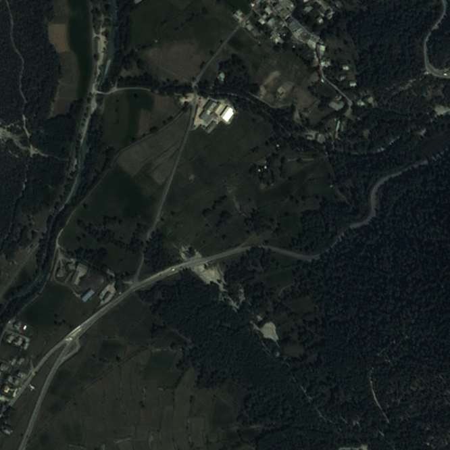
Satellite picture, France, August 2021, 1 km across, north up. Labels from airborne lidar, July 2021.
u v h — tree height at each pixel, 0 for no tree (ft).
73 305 0
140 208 0
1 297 0
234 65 35
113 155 54
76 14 0
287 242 0
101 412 0
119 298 0
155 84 22
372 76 49
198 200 0
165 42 0
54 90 45
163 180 0
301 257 0
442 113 0
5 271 0
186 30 0
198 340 45
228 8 0
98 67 0
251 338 44
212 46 0
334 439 52
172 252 0
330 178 23
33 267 0
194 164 0
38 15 37
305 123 45
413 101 34
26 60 19
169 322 54
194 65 0
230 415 0
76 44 0
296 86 0
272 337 0
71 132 56
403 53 26
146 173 0
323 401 66
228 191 0
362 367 53
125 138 0
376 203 0
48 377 0
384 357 59
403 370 58
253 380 36
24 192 35
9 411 36
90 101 35
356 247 26
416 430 51
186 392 0
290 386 42
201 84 31
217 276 0
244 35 0
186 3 0
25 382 0
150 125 0
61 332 0
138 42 0
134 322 0
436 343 72
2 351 0
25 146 20
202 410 0
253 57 0
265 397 39
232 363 39
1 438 0
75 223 0
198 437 0
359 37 47
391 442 65
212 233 0
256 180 0
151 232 0
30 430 0
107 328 0
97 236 50
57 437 0
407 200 56
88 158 28
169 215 0
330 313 70
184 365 50
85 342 0
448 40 44
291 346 32
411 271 18
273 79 0
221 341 50
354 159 52
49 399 0
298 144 63
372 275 70
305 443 50
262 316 0
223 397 0
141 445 0
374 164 46
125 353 0
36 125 32
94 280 0
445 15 0
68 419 0
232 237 0
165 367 0
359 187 62
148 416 0
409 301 31
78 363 0
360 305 24
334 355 53
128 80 20
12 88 25
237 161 0
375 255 50
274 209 0
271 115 50
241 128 0
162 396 0
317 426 44
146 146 0
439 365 32
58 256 0
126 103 0
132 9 26
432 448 37
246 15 0
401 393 27
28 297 32
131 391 0
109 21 39
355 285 30
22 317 0
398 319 31
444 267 50
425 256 80
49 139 40
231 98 31
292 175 0
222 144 0
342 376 58
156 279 0
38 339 0
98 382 0
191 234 0
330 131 36
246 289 24
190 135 0
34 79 30
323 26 0
